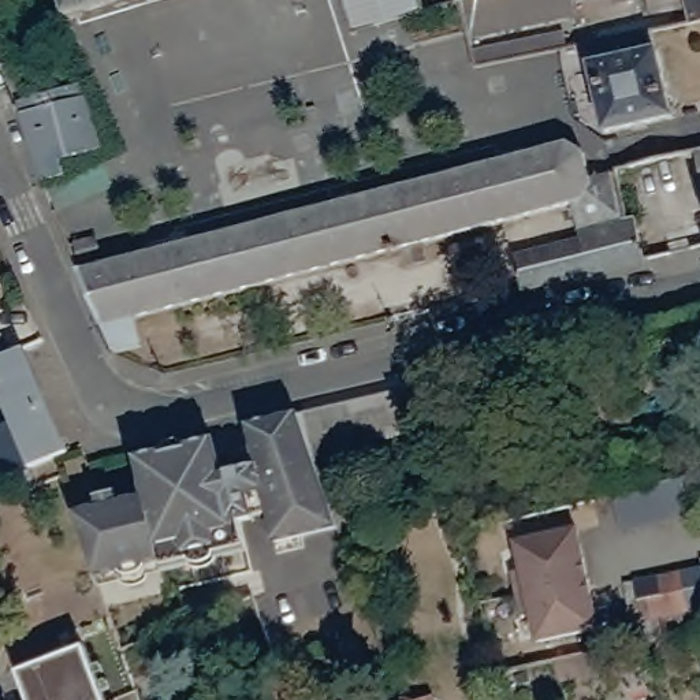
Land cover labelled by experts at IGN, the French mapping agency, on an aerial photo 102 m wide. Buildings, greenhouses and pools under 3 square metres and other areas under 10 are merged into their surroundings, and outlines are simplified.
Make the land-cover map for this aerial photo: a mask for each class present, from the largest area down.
<instances>
[{"label":"impervious surface","instance_id":"1","mask_svg":"<svg viewBox=\"0 0 700 700\"><path fill-rule=\"evenodd\" d=\"M462 22L446 25L440 33H410L402 30L399 19L383 22L377 27L350 25L345 0H159L150 5L131 8L126 14L98 19L93 25H71L79 46L85 57H90L93 74L104 88L109 109L123 131L126 159L107 172L77 180L66 191L41 189V178L46 172L33 161V153L22 145V134L0 139V260L19 271L22 287L19 309H5L0 304V353L14 345H25V350H30L27 366L57 427L60 440L68 446L79 443L82 448H88V459L129 454L137 448L170 446L191 435H208L213 440L216 465L224 468L246 459L243 421L252 416L309 410L383 391L391 396L407 383L405 372L413 366L416 358H424L432 347L446 345L451 339L468 345L470 336L492 339L503 331L506 320L520 314H539L541 320L563 323L566 317H571L574 306H607L618 314H651L700 301V172L697 161L689 159L686 148L700 145V109H681V115L675 118L648 126L643 131L604 134L607 120L596 115L593 101L585 93L580 55L643 44L648 38L651 27L684 22V11H678L681 0H571L574 8L569 11V16L558 19V25L571 30L569 36L574 46L561 52V60L541 57L517 66L506 63L498 77H489L481 68L476 71L470 66L473 60L465 55V44H479L489 38L487 33L473 30L476 11H470V0H454ZM380 60H399L402 66L418 68L427 88L416 107L407 112V118L399 115L391 120L410 159H405L391 172L361 170L353 180L331 178L323 153H328L336 145L366 142L375 115L364 109L361 79H366ZM276 104L301 107L306 120L287 126L276 118ZM429 112L462 118V131L470 142H462L459 148L446 153H424L416 139L413 123H421V118ZM552 139H566L585 150L588 175L613 172V180L621 183L623 172L640 170L637 200L643 208V221L634 224L632 243H637L643 254L651 257V265L645 271H634L621 279L574 271L563 279H550L541 287H520L517 279H509V293L487 309H476L473 304L451 293L429 290L427 295H413L410 304L355 317L353 328L361 331L353 339L347 336L334 345L328 339H314L287 345L284 350L265 347L260 353L246 355L180 372H156L123 361L120 353L109 347L104 331L96 325L85 304L88 284L79 265L85 263L252 221L290 208L366 191L375 186L440 172L448 167L511 153L520 148H533ZM167 189L189 191L191 216L170 221L161 211H153V227H148L145 232L115 230V213L109 205H118L123 197L137 191L148 202H161ZM260 517L246 522V541L254 561V571H238L230 577V582L186 588V604H213L221 593L249 596V610H243L238 618V623L249 632L243 640H252L265 654H271L279 643L290 645L295 634L320 629V621L328 613H342L339 591L347 585L350 577L347 563H342L339 558V541L334 539V533L314 539H304V533H290L276 539L273 528L279 520L273 517L271 506L260 503ZM580 550L585 552L588 563H599L602 574L591 580L599 591H593V615L582 626L580 637L588 643L607 626L629 623L634 629L643 623V618L610 585L634 569H648L686 558L700 561V539L684 530L681 520H659L654 525H643L626 533L621 525H615L613 514L604 506H599L596 528L585 530L580 536Z\"/></svg>","mask_w":700,"mask_h":700},{"label":"building","instance_id":"2","mask_svg":"<svg viewBox=\"0 0 700 700\"><path fill-rule=\"evenodd\" d=\"M55 5L71 25H93L98 19L126 14L131 8L150 5L159 0H52ZM418 8V0H345L350 25L377 27L383 22L399 19ZM574 8L571 0H470V11H476L473 30L487 33L489 38L479 44H465V55L473 60L470 66L476 71L481 68L489 77H498L506 63L517 66L541 57L561 60V52L574 46L569 36L571 30L558 25V19L569 16V11ZM678 11H684V22L700 19V0H681ZM585 93L593 101L596 115L607 120L604 134L643 131L648 126L675 118L664 109L662 79L648 38L643 44L580 55ZM22 134V145L33 153V161L46 172H63L55 164L57 156L98 148L96 131L88 126V107L82 104L79 93L68 90V85L36 93L33 101H27L0 82V139ZM563 208H569L577 219V235L571 241L550 243L541 249H520L511 241L509 254L517 279L520 287H541L550 279H563L574 271L621 279L634 271H645L651 265V257L643 254L637 243H632L634 224L632 216L623 213L621 183L613 180V172L588 175L585 150L566 139H552L533 148H520L511 153L448 167L440 172L375 186L366 191L290 208L252 221L85 263L79 265L88 284L85 304L96 325L104 331L109 347L120 353L137 350V320L175 309H186L191 304H205L235 293L268 284V276L320 265L347 254H361V260L380 263L394 260L402 268H410L416 263H435L440 257V241L451 235L476 227L547 219L550 213ZM689 159L697 161L700 172V145L686 148ZM30 350H25V345H14L0 353V476L5 470H19L22 465L25 468L41 470L60 454H66L68 446L60 440L57 427L27 366ZM413 396V388L407 383L391 396L383 391L309 410L252 416L243 421L246 459L224 468L216 465L213 440L208 435H191L170 446L137 448L129 454V465L134 473V492L115 495L109 487L93 489L88 503L71 509L77 536L85 552V563L98 571L90 574V585L98 588L104 604L115 607L120 602L153 599L161 593V580L186 588L230 582V577L238 571H254V561L246 541V522L260 517V503L271 506L273 517L279 520L273 528L276 539L290 533H304V539H314L334 533L339 530V525L331 522V509L325 506V498L320 492L325 468H331V459L339 454H366L369 448H380L386 438L399 435L396 418L405 416L407 402ZM681 479H664L654 492L640 498L604 503V506L613 514L615 525H621L626 533L643 525H654L659 520H681ZM585 530L571 522L566 528H550L517 539L506 536L509 558L517 563V569H511L503 580V588H511L514 593L503 602L506 610L522 615L525 621L522 629H514L525 651L555 648L563 643H574L580 637L582 626L593 615V591H599L591 580L602 574L599 563H588L585 552L580 550V536ZM700 580V561L686 558L648 569H634L610 585L643 618V623L645 634H654V629L664 623L678 621L689 610L692 591ZM0 700H104L101 681L93 673V662L85 645L79 643H68L44 651L33 659L16 662L8 675H0Z\"/></svg>","mask_w":700,"mask_h":700},{"label":"deciduous trees","instance_id":"3","mask_svg":"<svg viewBox=\"0 0 700 700\"><path fill-rule=\"evenodd\" d=\"M402 30L410 33H440L446 25L462 22L454 0H418V8L399 19ZM25 44L30 74L55 71V77L63 79L60 68L79 46L71 25L55 5L38 25L27 30ZM427 88L418 68L402 66L399 60H380L366 79H361L364 109L375 115L366 142L336 145L328 153H323L331 178L353 180L361 170L391 172L405 159H410L391 120L399 115L407 118V112L416 107ZM276 118L287 126L306 120L301 107L276 104ZM416 139L424 153H446L459 148L462 142H470L462 131V118L429 112L421 118V123H413ZM640 170L623 172L621 183L623 213L632 216L634 224L643 221V208L637 200ZM115 213V230L145 232L148 227H153V211H161L170 221L191 216L189 191L167 189L161 202H148L137 191L123 197L118 205H109ZM0 304L5 309H19L22 287L19 271L0 260ZM241 298V314L238 345L246 347V355L260 353L265 347L284 350L287 345L314 339H328L334 345L347 336L353 339L361 331L353 328L355 317L342 290L331 284L325 295H314L309 298V304H304L306 325L304 331H293L284 293L268 284L235 293ZM700 317V301L651 314H618L607 306H574L571 317H566L563 323L541 320L539 314H520L506 320L503 331L492 339L470 336L468 345L451 339L446 345L432 347L424 358H416L413 366L405 372L407 383L413 388V396L407 402L405 416L396 418L399 435L386 438L380 448H369L366 454H339L331 459V468H325L320 492L325 498V506L331 509V522L339 525V530L334 533V539L339 541V558L342 563H347L350 577L347 585L339 591L342 613H350L353 618L364 615L369 623L380 626L383 640L372 648L377 659L347 667L345 662L331 659L323 651V643H309V648L290 645L279 643L271 654H265L252 640H243L249 632L238 623V618L243 610H249V596L221 593L213 604H186V588L161 580V593L159 604L145 607L134 621L118 629L120 643L129 645L131 670L137 675H145L156 656L170 659L178 651H191V684L175 692L170 700H388L396 692L416 686V673H421L427 662V643L410 626V618L418 604V580L405 552V539L410 528H424L432 514L438 517V525L446 533L451 555L459 561L457 582L465 599L468 634L459 640L457 675L465 700H509V695L517 689V681H509L506 667L511 664L503 654L495 626L484 618L487 599H495V591L503 588V580L498 574L484 571L479 561V536L484 517L503 511L511 522H522L530 520V511L544 517L563 511L566 503L604 498V503L640 498L654 492L664 479H681V520L684 530L700 539V427H692L681 416L643 410L651 386H662L659 377L664 369L659 364V353L667 342V331L678 323ZM33 479L25 476V468L22 465L19 470H5L0 476V503L22 506L25 520L30 522V530L36 536H49L57 547L63 544L57 509L66 506L63 484L46 487L44 495H33ZM30 629L25 623L22 599L16 591L0 602V640L14 645ZM585 659L596 673L613 664H626L634 675H643L645 670L651 673L664 667H689L692 662H700V610L697 618L686 623V629L667 632L664 623L654 629V634H645L643 623L634 629L629 623L607 626L588 643Z\"/></svg>","mask_w":700,"mask_h":700},{"label":"herbaceous vegetation","instance_id":"4","mask_svg":"<svg viewBox=\"0 0 700 700\"><path fill-rule=\"evenodd\" d=\"M648 38L662 79L664 109L675 118L681 115V109H700V19L684 22L651 27ZM577 219L569 208H563L550 213L547 219L476 227L451 235L440 241V257L435 263H416L410 268H402L394 260L380 263L361 260V254H347L320 265L268 276V284L284 293L293 331H304L306 325L304 304H309V298L314 295H325L331 284L342 290L355 317L410 304L413 295H427L429 290L451 293L473 304L476 309H487L509 293V279H517L509 254L511 241L520 249H541L550 243L571 241L577 235ZM241 314H205L194 317V328H178L175 309L137 320V350L145 361L172 364L183 358L180 342H191L194 336L202 355L238 345ZM700 334V317L678 323L667 331V342L659 353V364L664 369L673 364L675 355H681L684 345H692V339ZM88 448H82L79 443L68 446L66 454H60L41 470L25 468V476L33 479V495H44L46 487L63 484L66 506L57 509L63 544L57 547L49 536H36L30 530V522L25 520L22 506L0 503V602L16 591L22 599L25 623L30 629L14 645L0 640V675H8L16 662L33 659L44 651L68 643H79L85 645L93 662V673L101 681L104 700H159L148 695L150 681L145 675H137L131 670L129 645L120 643L118 629L134 621L145 607L159 604L161 593L153 599L120 602L115 607L104 604L98 588L90 585V574L98 571L85 563V552L77 536L71 509L88 503L93 489L109 487L115 495L134 492V473L129 465L118 470H85L88 459ZM599 506H604V498L566 503L563 511L544 517L530 511V520L522 522H511L503 511L484 517L479 536V561L484 571L498 574L503 580L511 569H517V563L509 558L506 536L517 539L550 528H566L571 522L585 530L596 528ZM405 552L418 580V604L410 618V626L427 643V662L421 673H416V686L396 692L388 700H465L457 675L459 640L468 634L465 599L457 582L459 561L451 555L446 533L438 525V517L432 514L424 528H410L405 539ZM700 610V580L692 591L689 610L678 621L664 623L667 632L686 629V623L697 618ZM514 593L511 588H503L495 591V599H487L484 618L495 626L503 654L511 664L506 667L509 681H517V689L509 695V700H645L651 673L645 670L643 675H634L626 664H613L596 673L585 659L588 643L580 637L574 643H563L555 648L525 651L514 629H522L525 621L522 615L506 610L503 602ZM383 640L380 626L369 623L364 615L353 618L350 613H328L320 621V629L295 634L290 645L309 648V643H323V651L331 659L345 662L347 667L377 659L372 648Z\"/></svg>","mask_w":700,"mask_h":700},{"label":"brushwood","instance_id":"5","mask_svg":"<svg viewBox=\"0 0 700 700\"><path fill-rule=\"evenodd\" d=\"M55 5L52 0H0V82L27 101H33L36 93L68 85V90L79 93L82 104L88 107V126L96 131L98 148L57 156L55 164L63 172H46L41 178V189L66 191L77 180L107 172L126 159L123 131L109 109L104 88L93 74L90 57H85L79 46L60 68L63 79L55 77V71L30 74L25 44L27 30L38 25ZM205 314H241V298L235 293L205 304H191L186 309H175L178 328H194V317ZM183 358L172 364L145 361L137 350L120 353L123 361L156 372H180L246 355V347L238 345L202 355L194 336L191 342H180ZM129 465V454L88 459L85 470H118ZM645 700H700V662H692L689 667H664L651 673Z\"/></svg>","mask_w":700,"mask_h":700},{"label":"coniferous trees","instance_id":"6","mask_svg":"<svg viewBox=\"0 0 700 700\"><path fill-rule=\"evenodd\" d=\"M662 386H651L643 410L681 416L692 427H700V334L692 339V345H684L681 355H675L673 364L664 369L659 377ZM150 681L148 695L159 700H170L175 692L191 684V651H178L170 659L156 656L145 675Z\"/></svg>","mask_w":700,"mask_h":700}]
</instances>
